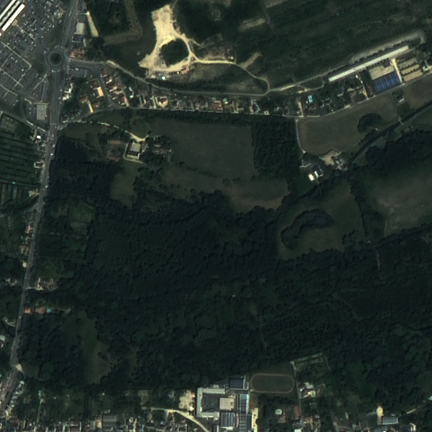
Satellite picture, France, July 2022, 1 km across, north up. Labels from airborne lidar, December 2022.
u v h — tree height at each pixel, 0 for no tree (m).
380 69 0
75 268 9
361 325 13
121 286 27
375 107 0
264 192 0
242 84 0
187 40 0
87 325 0
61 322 12
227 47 0
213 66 0
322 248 0
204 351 14
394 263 9
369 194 0
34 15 0
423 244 10
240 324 9
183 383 12
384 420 0
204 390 0
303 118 0
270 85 0
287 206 16
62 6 0
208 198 16
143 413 8
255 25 0
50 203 14
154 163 16
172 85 8
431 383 0
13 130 0
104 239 28
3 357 21
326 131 0
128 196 0
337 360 20
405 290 14
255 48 10
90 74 0
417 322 13
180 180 0
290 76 0
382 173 27
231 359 10
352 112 0
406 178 0
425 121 0
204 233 35
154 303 26
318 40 8
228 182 11
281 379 0
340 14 6
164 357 21
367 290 12
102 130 0
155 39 0
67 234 19
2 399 0
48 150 0
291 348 7
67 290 21
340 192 0
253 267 36
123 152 6
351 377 19
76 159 25
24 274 10
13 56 0
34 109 0
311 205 0
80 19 0
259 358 12
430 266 8
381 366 19
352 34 5
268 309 14
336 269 13
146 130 0
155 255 25
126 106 0
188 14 6
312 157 12
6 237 0
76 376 21
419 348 30
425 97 0
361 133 13
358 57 0
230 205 24
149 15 0
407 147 29
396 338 19
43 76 0
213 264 33
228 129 0
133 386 18
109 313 31
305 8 7
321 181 16
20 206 8
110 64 0
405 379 34
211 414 0
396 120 0
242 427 0
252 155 0
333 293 11
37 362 19
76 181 31
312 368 9
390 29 0
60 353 17
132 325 26
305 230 12
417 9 0
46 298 16
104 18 12
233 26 7
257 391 0
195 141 0
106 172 30
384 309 8
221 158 0
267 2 0
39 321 25
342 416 0
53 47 0
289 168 19
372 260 8
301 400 8
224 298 7
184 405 0
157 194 16
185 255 22
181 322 24
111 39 0
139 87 5
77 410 0
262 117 11
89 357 0
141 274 11
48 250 13
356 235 21
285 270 20
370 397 10
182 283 36
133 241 31
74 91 7
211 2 0
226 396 0
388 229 0
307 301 14
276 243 12
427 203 0
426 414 8
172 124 0
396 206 0
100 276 28
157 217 24
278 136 19
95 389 9
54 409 7
